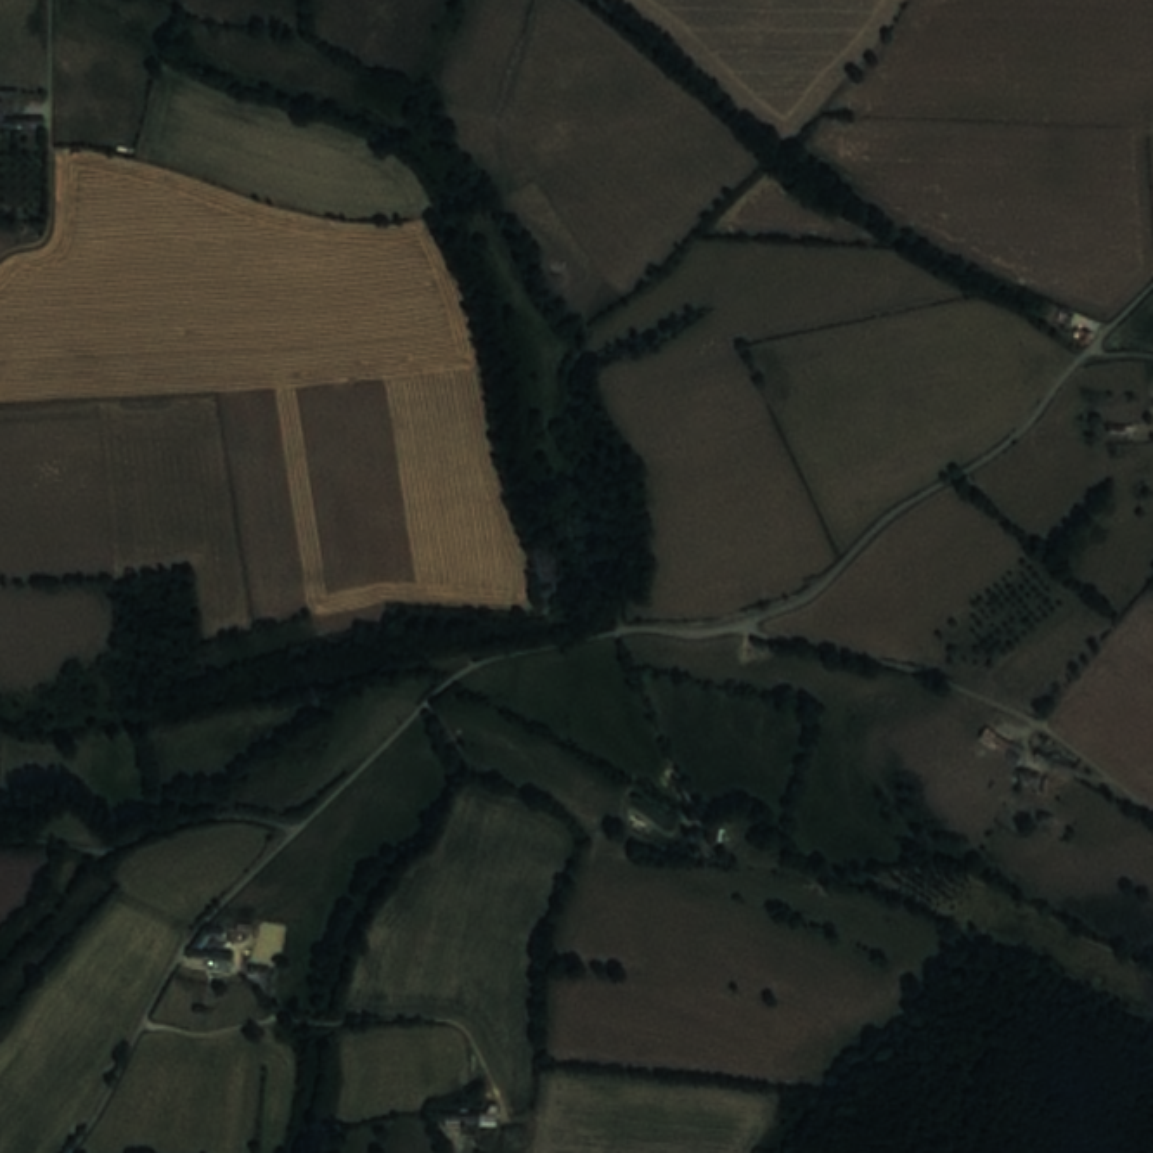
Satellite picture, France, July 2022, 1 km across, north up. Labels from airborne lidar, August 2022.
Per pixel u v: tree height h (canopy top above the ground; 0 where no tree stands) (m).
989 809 0
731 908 0
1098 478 0
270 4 0
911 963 0
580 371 10
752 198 0
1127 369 0
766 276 0
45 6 0
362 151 0
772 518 0
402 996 0
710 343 0
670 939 0
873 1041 23
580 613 15
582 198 0
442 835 9
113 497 0
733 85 0
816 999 0
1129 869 0
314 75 0
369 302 0
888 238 12
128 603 11
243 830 0
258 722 0
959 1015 12
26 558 0
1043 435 0
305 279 0
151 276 0
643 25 11
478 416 0
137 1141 0
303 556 0
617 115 0
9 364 0
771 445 0
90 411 0
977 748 0
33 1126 0
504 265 0
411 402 0
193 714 10
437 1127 6
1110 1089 15
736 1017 0
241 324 0
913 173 0
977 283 13
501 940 0
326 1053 16
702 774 0
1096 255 0
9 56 0
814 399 0
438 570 0
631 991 0
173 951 0
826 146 0
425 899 0
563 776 0
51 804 35
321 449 0
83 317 0
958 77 0
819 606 0
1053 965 9
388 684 10
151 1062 0
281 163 0
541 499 20
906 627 0
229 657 0
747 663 0
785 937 0
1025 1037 15
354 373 0
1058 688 13
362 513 0
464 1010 0
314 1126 16
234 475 0
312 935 0
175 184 0
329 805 0
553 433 7
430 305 0
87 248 0
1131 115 0
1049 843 0
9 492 0
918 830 18
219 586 0
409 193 0
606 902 0
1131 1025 17
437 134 8
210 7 0
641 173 0
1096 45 0
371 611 0
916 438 0
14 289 0
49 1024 0
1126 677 0
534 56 0
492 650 24
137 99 0
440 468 0
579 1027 0
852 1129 15
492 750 0
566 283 0
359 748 0
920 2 0
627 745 0
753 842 13
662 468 0
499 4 0
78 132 0
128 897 0
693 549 0
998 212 0
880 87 0
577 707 0
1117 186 0
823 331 0
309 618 13
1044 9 0
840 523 0
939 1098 22
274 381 0
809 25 0
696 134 0
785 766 0
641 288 11
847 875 18
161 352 0
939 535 0
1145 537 0
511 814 0
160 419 0
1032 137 0
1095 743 0
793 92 0
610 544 18
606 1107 0
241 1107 0
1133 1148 17
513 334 8
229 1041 0
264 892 0
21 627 0
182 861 0
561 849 0
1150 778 0
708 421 0
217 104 0
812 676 0
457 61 0
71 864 0
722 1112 0
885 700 0
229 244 0
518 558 0
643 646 0
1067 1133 15
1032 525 0
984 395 0
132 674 11
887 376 0
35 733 7
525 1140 0
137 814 28
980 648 5
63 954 7
